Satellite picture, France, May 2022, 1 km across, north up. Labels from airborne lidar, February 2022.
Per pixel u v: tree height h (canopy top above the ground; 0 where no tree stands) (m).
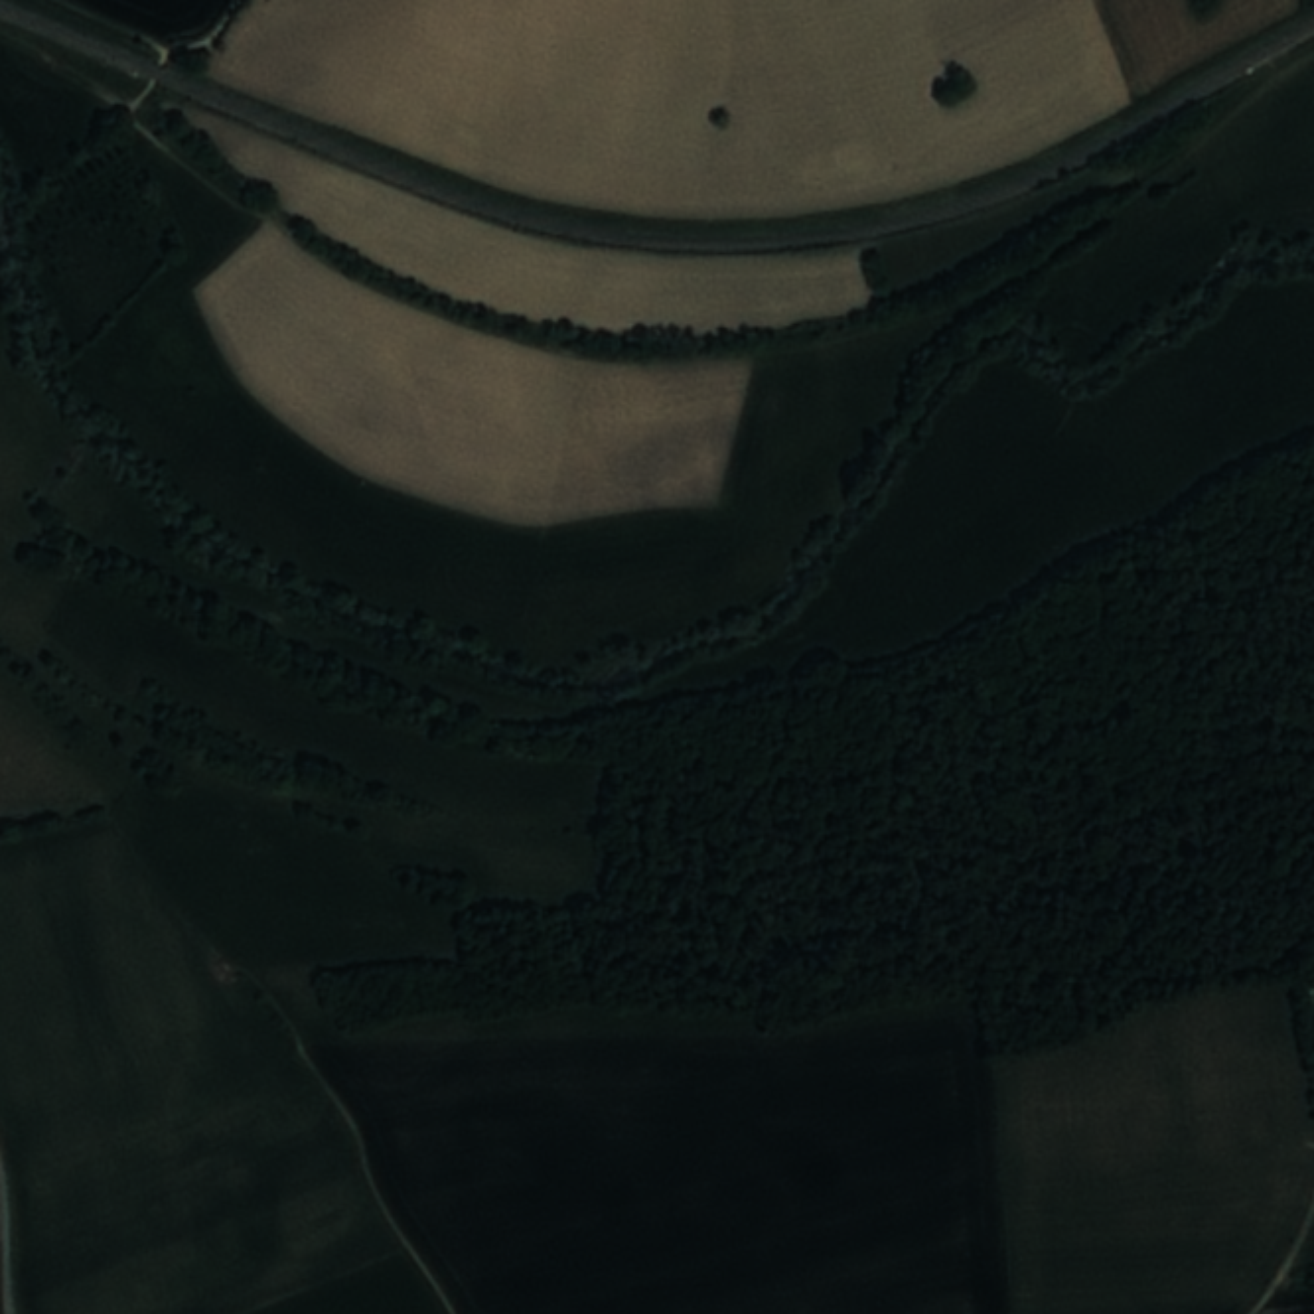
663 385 0
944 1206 0
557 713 0
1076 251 13
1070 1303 0
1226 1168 0
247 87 0
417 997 11
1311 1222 0
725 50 0
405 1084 0
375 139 0
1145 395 0
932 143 0
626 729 17
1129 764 23
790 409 0
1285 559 20
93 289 0
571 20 0
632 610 0
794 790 23
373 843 0
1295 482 21
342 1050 0
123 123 11
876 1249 0
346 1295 0
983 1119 0
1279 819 19
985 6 0
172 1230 0
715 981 24
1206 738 24
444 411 0
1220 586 25
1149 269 0
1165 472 0
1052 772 21
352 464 0
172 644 0
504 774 0
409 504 0
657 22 0
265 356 0
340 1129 0
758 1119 0
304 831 0
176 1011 0
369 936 0
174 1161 0
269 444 0
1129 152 16
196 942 0
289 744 0
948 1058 0
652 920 22
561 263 0
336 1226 0
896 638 0
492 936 18
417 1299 0
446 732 19
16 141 0
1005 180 0
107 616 0
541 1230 0
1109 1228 0
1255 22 0
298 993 0
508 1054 0
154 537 0
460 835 0
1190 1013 0
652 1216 0
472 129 0
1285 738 25
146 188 19
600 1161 0
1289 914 26
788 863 24
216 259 0
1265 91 0
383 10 0
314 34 0
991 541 0
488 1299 0
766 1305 0
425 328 0
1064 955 22
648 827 23
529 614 0
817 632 0
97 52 0
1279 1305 0
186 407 0
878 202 0
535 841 0
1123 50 0
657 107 0
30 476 0
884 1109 0
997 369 0
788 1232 0
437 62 0
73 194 0
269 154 0
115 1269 0
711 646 7
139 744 0
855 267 0
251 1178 0
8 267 17
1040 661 18
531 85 0
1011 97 0
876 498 7
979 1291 0
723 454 0
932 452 0
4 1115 0
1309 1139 0
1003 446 0
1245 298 0
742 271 0
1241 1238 0
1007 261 21
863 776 23
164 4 0
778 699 22
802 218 0
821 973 27
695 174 0
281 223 0
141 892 0
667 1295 0
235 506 0
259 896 0
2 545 0
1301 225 0
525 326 13
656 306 0
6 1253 0
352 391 0
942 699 24
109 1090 0
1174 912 20
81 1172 0
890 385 0
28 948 0
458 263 0
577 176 0
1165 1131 0
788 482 0
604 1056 0
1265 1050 0
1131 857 23
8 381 0
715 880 25
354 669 13
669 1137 0
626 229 0
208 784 0
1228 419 0
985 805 21
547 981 15
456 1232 0
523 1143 0
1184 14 0
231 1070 0
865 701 22
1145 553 19
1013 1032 14
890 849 14
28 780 0
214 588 0
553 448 0
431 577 0
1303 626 25
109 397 0
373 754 0
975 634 15
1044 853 10
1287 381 0
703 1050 0
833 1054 0
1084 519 0
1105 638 24
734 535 0
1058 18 0
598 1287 0
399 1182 0
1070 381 9
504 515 0
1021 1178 0
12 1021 0
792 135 0
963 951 26
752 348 11
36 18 0
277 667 13
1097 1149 0
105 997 0
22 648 0
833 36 0
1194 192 0
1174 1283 0
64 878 0
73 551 15
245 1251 0
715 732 22
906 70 0
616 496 0
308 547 0
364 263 14
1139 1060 0
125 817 0
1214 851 20
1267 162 0
